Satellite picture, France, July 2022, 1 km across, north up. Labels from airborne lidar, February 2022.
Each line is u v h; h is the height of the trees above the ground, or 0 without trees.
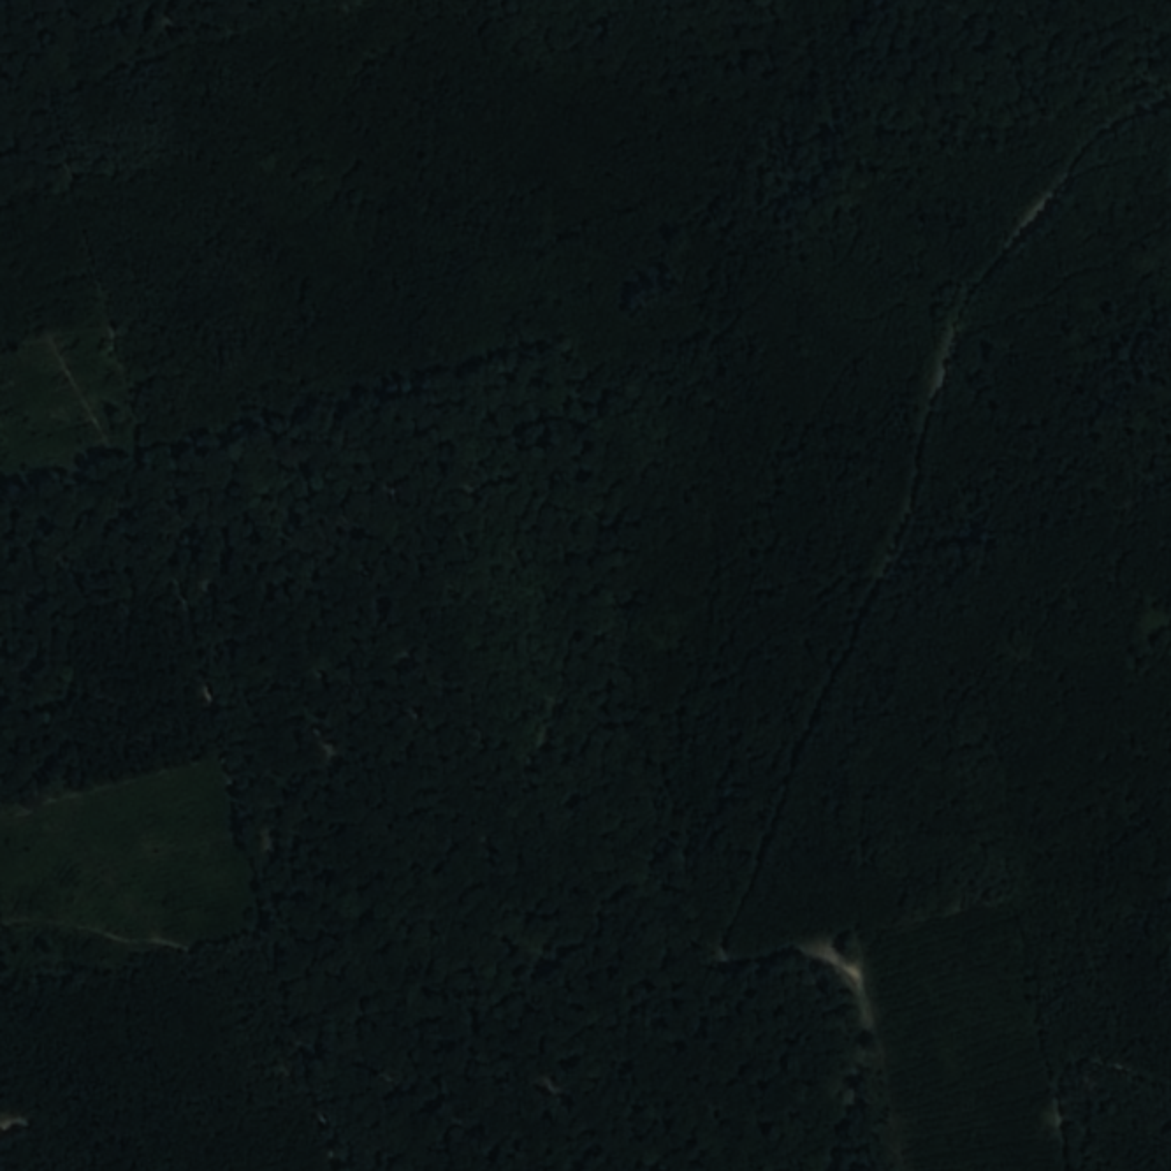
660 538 23
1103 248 6
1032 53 26
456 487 24
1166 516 6
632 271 11
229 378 13
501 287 20
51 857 0
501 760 22
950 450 10
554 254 16
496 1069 25
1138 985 15
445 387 31
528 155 13
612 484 17
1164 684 11
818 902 14
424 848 28
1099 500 7
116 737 17
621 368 20
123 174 11
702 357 25
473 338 19
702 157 14
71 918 0
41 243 11
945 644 11
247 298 13
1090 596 8
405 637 27
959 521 7
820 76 25
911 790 17
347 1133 25
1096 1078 15
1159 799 11
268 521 27
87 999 12
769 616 11
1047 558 6
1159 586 12
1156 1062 14
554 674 20
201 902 0
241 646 24
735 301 7
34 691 25
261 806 26
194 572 21
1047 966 10
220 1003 13
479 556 23
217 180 13
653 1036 30
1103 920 12
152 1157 12
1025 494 6
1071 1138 17
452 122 16
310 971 25
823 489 8
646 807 36
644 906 32
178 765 14
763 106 23
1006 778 11
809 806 11
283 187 19
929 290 9
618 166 15
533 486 29
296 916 28
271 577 24
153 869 0
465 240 19
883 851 20
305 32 9
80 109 14
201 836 0
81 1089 14
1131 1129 14
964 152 16
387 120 14
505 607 15
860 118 24
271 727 25
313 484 31
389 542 22
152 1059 15
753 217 24
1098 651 7
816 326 8
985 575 12
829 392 6
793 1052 27
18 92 29
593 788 28
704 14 30
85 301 8
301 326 18
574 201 8
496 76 12
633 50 25
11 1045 16
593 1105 28
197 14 22
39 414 0
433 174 22
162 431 12
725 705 11
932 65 33
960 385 10
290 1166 7
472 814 24
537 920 27
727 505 16
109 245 10
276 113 12
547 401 32
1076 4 34
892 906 14
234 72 14
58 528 28
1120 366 12
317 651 23
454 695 27
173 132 10
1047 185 10
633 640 21
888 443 12
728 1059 28
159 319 8
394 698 25
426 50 13
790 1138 26
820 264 10
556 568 21
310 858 22
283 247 17
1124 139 13
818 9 24
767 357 14
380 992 26
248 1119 9
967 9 32
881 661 8
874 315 8
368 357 17
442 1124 30
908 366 13
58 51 25
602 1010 24
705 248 7
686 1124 29
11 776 29
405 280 18
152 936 0
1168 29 24
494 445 25
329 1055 26
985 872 26
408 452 32
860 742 16
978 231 11
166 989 14
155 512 28
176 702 18
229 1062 11
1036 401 9
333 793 25
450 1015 27
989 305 13
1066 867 10
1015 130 14
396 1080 27
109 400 0
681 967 32
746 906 13
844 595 8
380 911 26
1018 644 12
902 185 15
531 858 25
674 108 12
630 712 26
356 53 11
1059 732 9
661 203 14
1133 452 7
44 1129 12
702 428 25
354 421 31
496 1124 31
